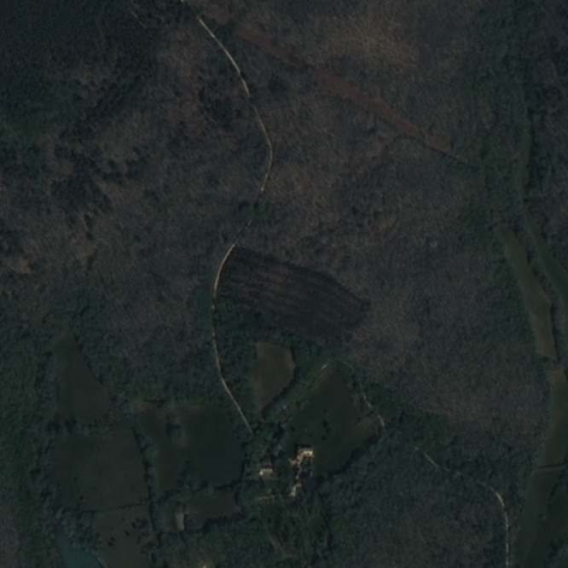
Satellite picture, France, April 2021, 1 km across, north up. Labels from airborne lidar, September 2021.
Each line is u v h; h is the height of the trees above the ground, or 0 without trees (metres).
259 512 16
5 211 16
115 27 12
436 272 19
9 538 21
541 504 0
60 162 22
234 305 17
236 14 15
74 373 0
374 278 17
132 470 0
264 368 0
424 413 20
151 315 21
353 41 16
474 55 23
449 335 20
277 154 13
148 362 22
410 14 16
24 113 24
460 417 19
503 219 28
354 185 12
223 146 19
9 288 27
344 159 14
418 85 19
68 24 18
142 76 13
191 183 18
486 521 17
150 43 16
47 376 24
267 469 0
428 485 26
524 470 18
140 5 16
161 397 23
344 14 16
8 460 24
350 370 18
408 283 20
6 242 23
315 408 0
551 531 0
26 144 22
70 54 20
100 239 19
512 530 14
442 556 12
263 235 12
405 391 20
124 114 9
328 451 0
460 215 22
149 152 20
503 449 16
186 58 16
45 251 20
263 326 15
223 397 22
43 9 16
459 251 20
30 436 27
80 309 25
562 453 0
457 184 20
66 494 0
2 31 20
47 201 28
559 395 0
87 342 26
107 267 26
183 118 20
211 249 11
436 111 18
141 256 15
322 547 17
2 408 19
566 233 16
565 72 27
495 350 27
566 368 22
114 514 0
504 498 17
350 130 15
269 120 18
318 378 14
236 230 19
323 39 14
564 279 0
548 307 0
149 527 16
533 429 14
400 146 14
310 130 18
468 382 20
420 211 16
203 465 0
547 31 15
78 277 22
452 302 20
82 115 13
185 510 10
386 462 23
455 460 21
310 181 18
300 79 18
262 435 18
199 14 16
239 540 27
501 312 26
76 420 0
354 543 19
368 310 17
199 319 19
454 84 22
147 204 23
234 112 21
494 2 23
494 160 27
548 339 0
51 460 9
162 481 0
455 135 20
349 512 21
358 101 0
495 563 25
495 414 21
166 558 21
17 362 23
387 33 18
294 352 23
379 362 21
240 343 19
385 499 24
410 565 28
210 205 24
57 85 15
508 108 30
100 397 0
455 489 25
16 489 23
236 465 0
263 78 13
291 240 17
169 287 14
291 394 19
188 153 20
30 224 18
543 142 14
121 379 23
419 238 20
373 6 15
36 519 22
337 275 14
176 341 20
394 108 16
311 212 18
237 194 17
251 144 7
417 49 17
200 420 0
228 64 11
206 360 19
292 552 23
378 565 19
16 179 24
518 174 17
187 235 14
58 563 8
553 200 11
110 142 18
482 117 31
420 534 23
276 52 0
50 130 20
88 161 13
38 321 23
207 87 9
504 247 17
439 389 24
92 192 19
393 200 17
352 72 16
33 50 19
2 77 22
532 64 10
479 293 23
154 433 0
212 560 23
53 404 22
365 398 15
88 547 16
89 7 15
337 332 8
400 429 27
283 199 12
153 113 18
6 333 26
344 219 7
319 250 11
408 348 21
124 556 0
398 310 19
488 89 28
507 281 22
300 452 0
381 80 16
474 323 23
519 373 22
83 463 0
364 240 18
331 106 15
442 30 20
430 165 22
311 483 23
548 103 28
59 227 16
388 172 18
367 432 0
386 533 25
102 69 15
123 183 20
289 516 20
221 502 0
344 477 18
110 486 0
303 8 13
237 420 23
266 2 17
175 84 18
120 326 24
